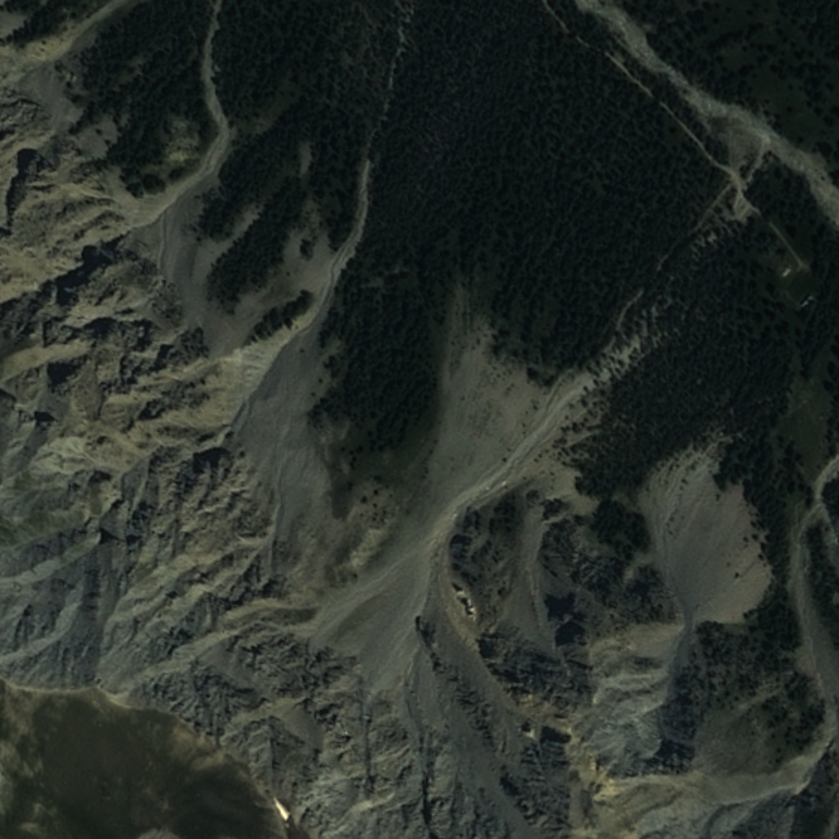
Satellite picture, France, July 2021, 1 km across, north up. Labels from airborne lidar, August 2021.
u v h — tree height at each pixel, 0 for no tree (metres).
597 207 13
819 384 0
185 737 0
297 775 0
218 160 0
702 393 16
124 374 0
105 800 0
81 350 0
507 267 15
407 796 0
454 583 0
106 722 0
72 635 0
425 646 0
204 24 9
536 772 0
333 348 0
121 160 17
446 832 0
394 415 10
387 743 0
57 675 0
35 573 0
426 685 0
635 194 7
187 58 16
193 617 0
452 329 0
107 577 0
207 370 0
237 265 12
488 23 18
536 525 0
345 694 0
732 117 0
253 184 9
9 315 0
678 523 0
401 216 13
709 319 19
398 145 16
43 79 0
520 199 8
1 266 0
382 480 10
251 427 0
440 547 0
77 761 0
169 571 0
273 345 0
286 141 16
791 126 0
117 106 16
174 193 0
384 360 19
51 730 0
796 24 11
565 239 22
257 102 15
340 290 8
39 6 9
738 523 0
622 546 7
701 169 18
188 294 0
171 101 13
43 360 0
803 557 0
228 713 0
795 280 0
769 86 0
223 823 0
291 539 0
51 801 0
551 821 0
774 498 20
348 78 17
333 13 19
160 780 0
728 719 0
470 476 0
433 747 0
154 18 10
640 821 0
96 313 0
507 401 0
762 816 0
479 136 11
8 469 0
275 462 0
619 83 21
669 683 0
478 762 0
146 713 0
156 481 0
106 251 0
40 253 0
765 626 10
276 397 0
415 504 0
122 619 0
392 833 0
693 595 0
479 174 15
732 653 11
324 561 0
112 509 0
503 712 0
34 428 0
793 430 0
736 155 0
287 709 0
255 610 0
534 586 0
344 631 0
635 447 12
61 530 0
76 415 0
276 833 0
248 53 18
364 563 0
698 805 0
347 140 7
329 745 0
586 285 11
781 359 19
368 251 13
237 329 0
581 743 0
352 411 9
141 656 0
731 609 0
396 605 0
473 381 0
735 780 0
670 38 7
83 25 0
